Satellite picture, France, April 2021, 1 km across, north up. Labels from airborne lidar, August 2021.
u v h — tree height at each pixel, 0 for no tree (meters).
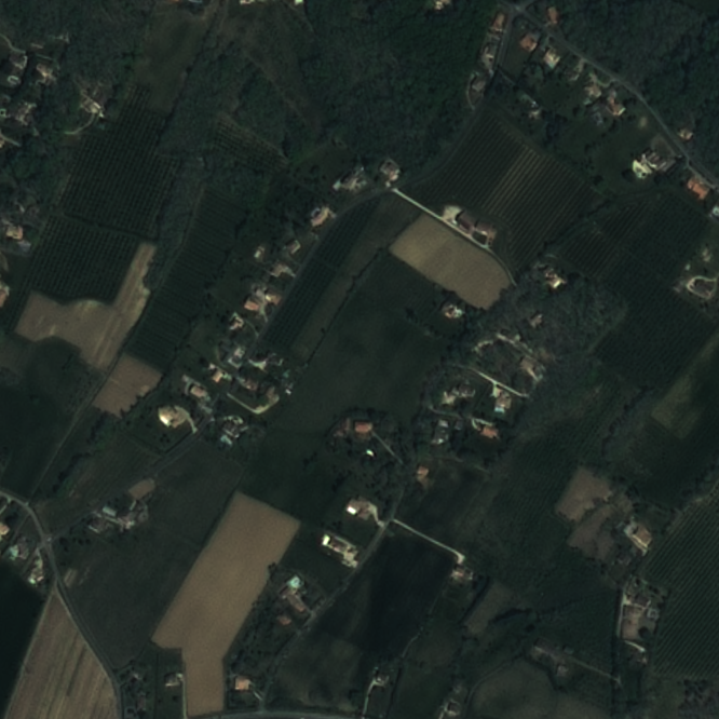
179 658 0
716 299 7
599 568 6
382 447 19
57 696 0
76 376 0
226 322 8
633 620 0
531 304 19
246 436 9
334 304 0
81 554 0
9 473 0
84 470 18
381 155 12
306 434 0
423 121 15
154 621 0
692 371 0
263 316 0
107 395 0
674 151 0
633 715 20
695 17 21
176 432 0
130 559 0
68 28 15
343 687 0
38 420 0
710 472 12
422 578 0
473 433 9
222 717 0
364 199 0
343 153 0
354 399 0
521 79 8
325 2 21
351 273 0
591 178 6
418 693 0
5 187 9
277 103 22
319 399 0
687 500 13
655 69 19
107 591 0
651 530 8
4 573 0
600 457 6
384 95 13
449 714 7
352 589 0
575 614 6
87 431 0
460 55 27
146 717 23
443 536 0
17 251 15
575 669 0
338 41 22
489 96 9
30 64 10
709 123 22
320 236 0
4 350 0
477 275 0
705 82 26
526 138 0
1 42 0
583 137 0
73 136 0
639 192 0
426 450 17
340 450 7
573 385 19
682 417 0
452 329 0
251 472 0
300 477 0
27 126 6
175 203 15
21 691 0
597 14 23
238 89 11
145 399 11
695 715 21
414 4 23
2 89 9
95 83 11
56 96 18
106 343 0
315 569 0
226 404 9
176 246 14
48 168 25
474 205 0
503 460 13
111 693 0
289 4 6
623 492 16
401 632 0
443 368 9
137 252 0
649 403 18
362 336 0
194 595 0
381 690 6
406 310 0
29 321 0
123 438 0
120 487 0
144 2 18
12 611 0
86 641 0
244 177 22
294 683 0
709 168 12
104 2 19
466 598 0
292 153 27
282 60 6
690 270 0
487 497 0
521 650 12
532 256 0
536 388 17
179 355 7
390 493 11
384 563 0
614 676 11
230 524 0
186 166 18
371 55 21
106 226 7
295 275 0
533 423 17
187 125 15
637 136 0
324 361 0
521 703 0
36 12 16
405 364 0
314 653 0
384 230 0
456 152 0
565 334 18
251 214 14
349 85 19
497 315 17
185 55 0
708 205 6
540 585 6
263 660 11
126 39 18
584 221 12
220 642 0
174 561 0
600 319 18
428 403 18
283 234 8
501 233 0
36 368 0
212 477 0
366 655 0
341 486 14
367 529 0
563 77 9
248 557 0
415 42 24
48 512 0
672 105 22
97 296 0
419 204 0
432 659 0
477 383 0
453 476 0
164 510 0
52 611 0
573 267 0
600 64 12
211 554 0
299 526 0
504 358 19
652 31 19
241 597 0
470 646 15
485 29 21
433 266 0
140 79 0
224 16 10
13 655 0
